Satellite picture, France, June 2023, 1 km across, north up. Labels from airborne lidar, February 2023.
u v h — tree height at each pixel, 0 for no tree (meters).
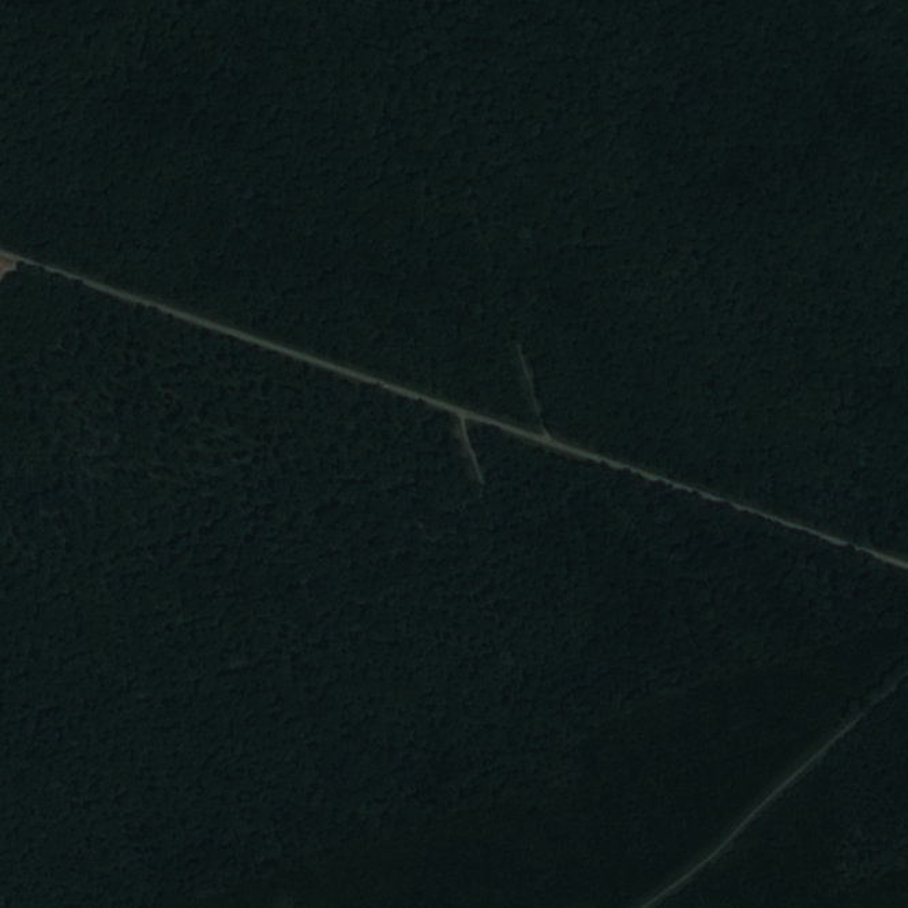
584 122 24
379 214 23
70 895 18
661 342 21
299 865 20
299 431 22
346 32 17
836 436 22
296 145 22
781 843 9
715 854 0
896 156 24
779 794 0
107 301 21
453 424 21
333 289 21
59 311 18
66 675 23
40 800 19
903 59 24
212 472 25
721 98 22
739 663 25
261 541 22
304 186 22
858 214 25
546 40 26
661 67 16
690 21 22
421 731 24
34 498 16
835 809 10
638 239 21
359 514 22
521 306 22
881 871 20
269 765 22
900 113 24
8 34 26
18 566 21
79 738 21
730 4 24
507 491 19
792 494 27
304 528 23
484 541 18
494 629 20
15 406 6
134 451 24
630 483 23
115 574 19
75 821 18
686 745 10
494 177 27
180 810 22
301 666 24
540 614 20
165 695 22
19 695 24
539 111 27
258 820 27
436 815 17
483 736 21
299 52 25
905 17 16
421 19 22
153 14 25
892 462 23
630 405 23
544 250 25
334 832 25
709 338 28
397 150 24
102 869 20
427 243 22
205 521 23
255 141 22
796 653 25
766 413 21
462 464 18
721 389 23
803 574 29
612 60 20
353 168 22
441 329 19
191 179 19
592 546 19
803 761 0
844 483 24
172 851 22
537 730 23
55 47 21
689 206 23
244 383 23
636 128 24
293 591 24
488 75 26
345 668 24
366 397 19
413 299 21
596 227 25
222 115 24
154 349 21
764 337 20
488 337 20
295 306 24
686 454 24
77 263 19
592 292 24
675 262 26
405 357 21
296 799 24
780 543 29
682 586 27
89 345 25
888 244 24
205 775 21
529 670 19
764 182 24
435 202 20
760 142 23
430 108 22
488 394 20
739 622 26
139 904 20
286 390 19
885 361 19
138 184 20
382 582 19
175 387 20
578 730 22
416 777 24
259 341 0
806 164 24
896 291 22
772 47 22
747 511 0
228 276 22
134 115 21
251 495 23
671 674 23
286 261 22
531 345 23
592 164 24
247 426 24
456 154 21
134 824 21
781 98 26
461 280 22
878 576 27
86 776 21
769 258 24
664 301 24
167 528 19
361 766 25
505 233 23
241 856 25
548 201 24
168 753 19
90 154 21
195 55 24
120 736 20
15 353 17
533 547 19
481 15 23
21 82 20
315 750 24
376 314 21
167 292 21
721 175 24
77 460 20
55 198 21
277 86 26
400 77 25
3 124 23
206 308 16
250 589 21
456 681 21
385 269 20
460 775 26
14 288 13
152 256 20
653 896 0
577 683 21
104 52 22
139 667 21
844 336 24
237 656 23
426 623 19
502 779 23
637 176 24
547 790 18
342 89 26
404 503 21
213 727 21
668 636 27
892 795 19
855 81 24
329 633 20
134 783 20
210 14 25
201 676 20
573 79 26
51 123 20
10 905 16
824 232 21
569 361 18
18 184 21
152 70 22
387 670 24
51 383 23
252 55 24
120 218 22
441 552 22
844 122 24
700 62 23
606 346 24
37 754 21
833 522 26
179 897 21
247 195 26
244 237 24
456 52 26
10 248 13
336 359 25
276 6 26
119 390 22
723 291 27
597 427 19
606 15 24
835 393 19
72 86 21
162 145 23
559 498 19
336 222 20
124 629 21
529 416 18
